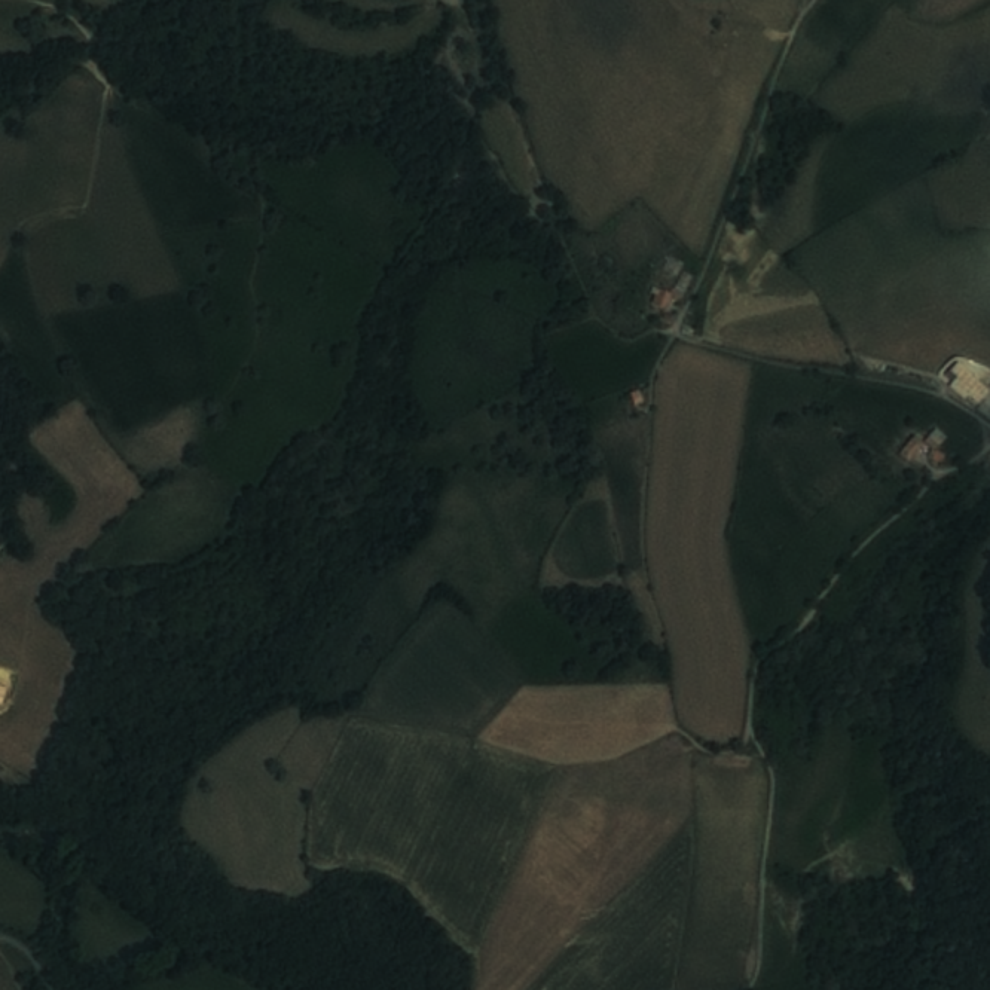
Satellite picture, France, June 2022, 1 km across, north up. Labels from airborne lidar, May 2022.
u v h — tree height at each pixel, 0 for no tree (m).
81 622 21
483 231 13
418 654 0
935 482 8
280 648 22
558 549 0
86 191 0
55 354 0
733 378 0
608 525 0
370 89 15
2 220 0
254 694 18
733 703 0
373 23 12
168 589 8
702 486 0
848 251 0
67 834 28
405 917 16
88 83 0
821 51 0
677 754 0
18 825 30
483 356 0
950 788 22
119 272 0
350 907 17
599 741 0
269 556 15
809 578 0
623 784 0
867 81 0
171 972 18
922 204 0
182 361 0
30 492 18
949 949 13
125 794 20
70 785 30
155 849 16
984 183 0
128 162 0
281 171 0
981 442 0
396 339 14
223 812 0
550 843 0
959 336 0
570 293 6
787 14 0
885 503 0
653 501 0
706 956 0
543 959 0
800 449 0
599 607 30
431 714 0
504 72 14
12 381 19
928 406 0
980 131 0
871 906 14
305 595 13
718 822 0
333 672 7
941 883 27
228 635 12
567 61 0
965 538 28
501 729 0
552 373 13
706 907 0
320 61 16
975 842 26
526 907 0
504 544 0
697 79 0
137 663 23
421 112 14
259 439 0
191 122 12
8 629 0
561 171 0
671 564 0
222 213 0
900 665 12
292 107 19
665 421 0
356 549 20
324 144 15
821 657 12
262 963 21
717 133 0
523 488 0
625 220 0
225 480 0
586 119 0
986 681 0
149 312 0
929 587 9
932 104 0
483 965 0
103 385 0
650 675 0
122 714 23
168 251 0
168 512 0
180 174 0
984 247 0
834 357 0
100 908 0
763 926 0
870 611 17
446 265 7
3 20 0
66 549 0
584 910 0
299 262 0
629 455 0
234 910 21
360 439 8
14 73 17
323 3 13
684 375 0
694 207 0
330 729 0
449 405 0
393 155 8
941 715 25
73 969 30
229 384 0
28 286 0
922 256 0
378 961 20
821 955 15
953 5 0
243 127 24
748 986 0
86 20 18
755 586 0
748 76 0
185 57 25
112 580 21
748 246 0
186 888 13
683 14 0
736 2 0
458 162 18
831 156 0
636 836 0
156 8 29
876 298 0
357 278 0
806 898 10
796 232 0
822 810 0
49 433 0
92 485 0
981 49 0
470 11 12
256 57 11
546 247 9
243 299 0
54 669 0
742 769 0
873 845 0
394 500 19
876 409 0
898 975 15
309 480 17
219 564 8
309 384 0
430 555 0
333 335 0
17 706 0
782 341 0
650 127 0
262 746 0
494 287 0
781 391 0
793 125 11
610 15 0
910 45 0
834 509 0
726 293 0
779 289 0
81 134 0
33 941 9
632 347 0
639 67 0
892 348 0
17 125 18
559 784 0
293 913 15
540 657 0
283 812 0
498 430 0
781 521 0
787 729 0
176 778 9
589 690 0
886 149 0
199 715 17
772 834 0
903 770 22
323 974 17
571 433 12
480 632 0
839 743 0
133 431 0
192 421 0
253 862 0
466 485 0
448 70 13
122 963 20
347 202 0
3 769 0
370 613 0
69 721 15
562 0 0
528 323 0
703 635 0
